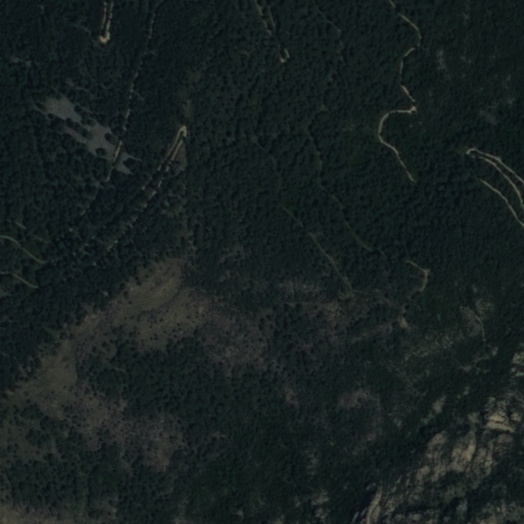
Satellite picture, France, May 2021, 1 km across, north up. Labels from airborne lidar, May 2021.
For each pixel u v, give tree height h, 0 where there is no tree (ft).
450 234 59
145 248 57
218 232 77
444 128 58
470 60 26
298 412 39
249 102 108
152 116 47
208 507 28
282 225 77
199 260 44
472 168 73
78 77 43
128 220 65
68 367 26
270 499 37
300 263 52
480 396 44
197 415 102
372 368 18
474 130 80
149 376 78
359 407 37
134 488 65
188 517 22
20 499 76
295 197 83
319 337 77
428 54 63
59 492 97
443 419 65
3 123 75
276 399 26
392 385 38
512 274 18
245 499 39
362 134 68
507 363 54
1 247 65
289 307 77
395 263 83
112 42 36
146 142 56
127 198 72
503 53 36
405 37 71
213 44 44
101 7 50
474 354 30
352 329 60
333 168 94
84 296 35
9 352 53
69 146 78
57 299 80
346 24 85
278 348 73
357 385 38
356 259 65
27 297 64
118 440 35
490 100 54
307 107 68
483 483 21
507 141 48
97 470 99
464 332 33
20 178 71
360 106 70
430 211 85
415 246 80
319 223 72
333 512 52
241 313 51
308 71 94
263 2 76
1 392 48
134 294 0
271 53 77
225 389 107
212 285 63
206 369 62
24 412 50
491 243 82
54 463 84
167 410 69
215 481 25
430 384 36
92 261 67
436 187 49
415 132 36
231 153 84
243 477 22
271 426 28
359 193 95
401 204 57
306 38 76
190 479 71
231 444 47
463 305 39
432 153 97
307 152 78
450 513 35
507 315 48
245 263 47
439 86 50
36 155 79
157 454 36
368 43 69
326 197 76
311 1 26
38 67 72
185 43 50
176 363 63
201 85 47
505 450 22
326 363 61
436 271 46
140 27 50
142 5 43
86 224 77
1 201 78
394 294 57
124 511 99
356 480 28
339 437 51
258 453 36
